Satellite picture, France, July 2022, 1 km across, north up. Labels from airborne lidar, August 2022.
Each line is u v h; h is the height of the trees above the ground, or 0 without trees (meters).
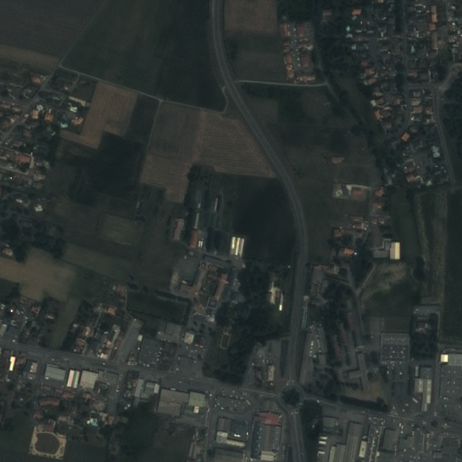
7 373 0
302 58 0
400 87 17
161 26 0
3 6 0
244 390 0
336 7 7
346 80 0
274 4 0
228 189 0
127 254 0
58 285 0
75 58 0
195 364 0
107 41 0
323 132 0
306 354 0
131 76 0
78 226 0
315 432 9
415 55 12
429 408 0
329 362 9
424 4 0
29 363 0
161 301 0
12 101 0
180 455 0
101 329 8
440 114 0
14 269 0
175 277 0
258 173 0
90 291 0
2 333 0
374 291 0
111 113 0
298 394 8
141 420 0
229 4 0
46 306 10
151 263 0
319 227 0
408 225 0
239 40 0
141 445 0
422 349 18
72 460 0
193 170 10
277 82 0
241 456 0
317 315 0
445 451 0
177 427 0
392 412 0
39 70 0
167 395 0
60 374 0
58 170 0
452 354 0
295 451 0
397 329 0
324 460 0
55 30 0
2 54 0
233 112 0
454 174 0
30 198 13
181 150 0
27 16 0
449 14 0
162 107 0
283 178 0
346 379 0
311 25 0
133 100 0
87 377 0
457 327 0
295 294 0
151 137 0
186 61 0
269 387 0
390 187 12
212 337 13
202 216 0
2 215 9
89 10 0
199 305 0
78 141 0
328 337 15
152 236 0
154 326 0
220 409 0
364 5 15
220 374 22
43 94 11
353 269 26
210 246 14
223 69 0
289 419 0
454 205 0
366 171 0
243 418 0
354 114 11
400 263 0
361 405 13
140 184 0
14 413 0
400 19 16
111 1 0
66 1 0
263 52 0
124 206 0
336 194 0
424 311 0
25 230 15
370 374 8
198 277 0
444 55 0
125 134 0
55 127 11
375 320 0
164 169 0
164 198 0
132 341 0
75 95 0
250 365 0
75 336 8
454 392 0
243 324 12
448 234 0
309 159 0
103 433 8
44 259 0
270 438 0
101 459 0
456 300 0
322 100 0
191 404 0
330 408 0
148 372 0
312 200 0
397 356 0
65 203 0
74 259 0
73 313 0
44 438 0
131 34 0
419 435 0
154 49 0
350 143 0
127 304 0
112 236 0
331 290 16
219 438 0
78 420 6
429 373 0
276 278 0
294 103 0
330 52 14
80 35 0
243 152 0
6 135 0
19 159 0
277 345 0
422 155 0
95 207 0
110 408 0
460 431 0
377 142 0
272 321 0
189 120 0
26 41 0
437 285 0
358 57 6
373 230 0
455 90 16
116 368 0
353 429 0
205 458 0
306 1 6
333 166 0
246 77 0
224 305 16
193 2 0
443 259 0
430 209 0
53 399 0
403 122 7
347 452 0
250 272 20
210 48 0
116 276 0
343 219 0
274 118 0
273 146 0
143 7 0
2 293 0
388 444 0
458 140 11
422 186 6
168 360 0
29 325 8
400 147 12
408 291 0
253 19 0
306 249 0
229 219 0
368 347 0
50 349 0
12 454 0
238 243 0
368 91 22
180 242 0
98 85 0
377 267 0
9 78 0
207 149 0
